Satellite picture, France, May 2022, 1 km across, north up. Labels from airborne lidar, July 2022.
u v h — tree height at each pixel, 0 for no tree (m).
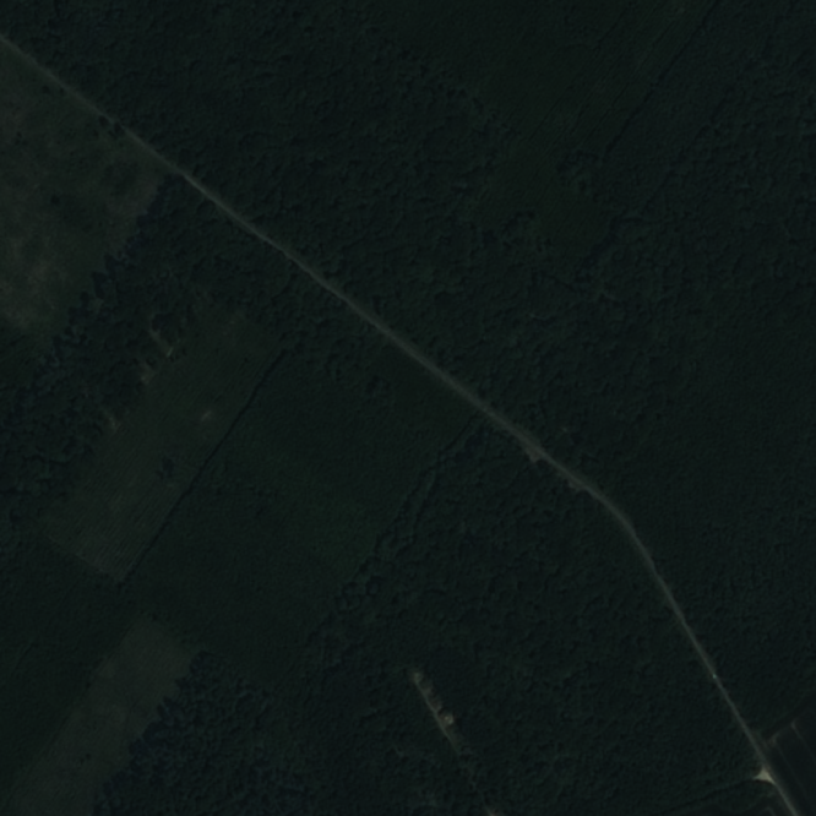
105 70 27
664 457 20
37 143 0
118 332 28
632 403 22
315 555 15
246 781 22
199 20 26
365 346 26
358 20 21
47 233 0
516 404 26
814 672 18
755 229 27
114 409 24
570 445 20
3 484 27
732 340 20
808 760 0
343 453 15
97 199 0
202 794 26
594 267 23
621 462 21
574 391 29
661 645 20
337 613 12
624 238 25
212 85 23
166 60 26
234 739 22
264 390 14
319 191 28
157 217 22
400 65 25
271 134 26
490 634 22
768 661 22
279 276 24
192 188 17
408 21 13
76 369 23
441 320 23
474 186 27
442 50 14
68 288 0
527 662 24
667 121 19
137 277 28
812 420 20
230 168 26
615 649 22
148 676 0
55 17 23
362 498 15
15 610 11
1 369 6
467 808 13
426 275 25
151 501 0
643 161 19
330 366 21
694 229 23
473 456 26
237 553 13
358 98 27
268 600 13
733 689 20
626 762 20
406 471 16
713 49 19
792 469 20
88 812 0
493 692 22
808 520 10
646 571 17
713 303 27
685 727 20
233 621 11
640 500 19
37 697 8
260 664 12
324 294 20
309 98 25
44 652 10
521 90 7
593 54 6
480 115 31
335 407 17
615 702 27
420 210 25
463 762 17
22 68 0
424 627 19
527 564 26
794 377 19
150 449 0
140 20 31
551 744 21
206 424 0
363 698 21
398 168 24
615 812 19
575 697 29
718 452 20
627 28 6
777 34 19
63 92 11
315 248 20
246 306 28
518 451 20
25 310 0
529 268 6
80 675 9
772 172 24
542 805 22
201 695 25
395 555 21
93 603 9
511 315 29
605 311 22
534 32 10
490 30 14
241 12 24
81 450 25
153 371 25
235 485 14
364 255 25
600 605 24
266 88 27
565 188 9
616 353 25
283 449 14
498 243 28
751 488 19
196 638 7
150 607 10
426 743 16
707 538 21
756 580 21
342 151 28
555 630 25
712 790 15
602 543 20
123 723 0
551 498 23
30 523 23
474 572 27
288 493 13
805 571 23
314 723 23
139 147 0
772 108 25
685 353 26
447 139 27
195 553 13
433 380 7
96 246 0
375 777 17
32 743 7
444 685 24
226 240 21
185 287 26
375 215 27
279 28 26
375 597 24
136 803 19
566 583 25
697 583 19
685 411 19
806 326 26
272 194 28
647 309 26
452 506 22
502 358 28
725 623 21
